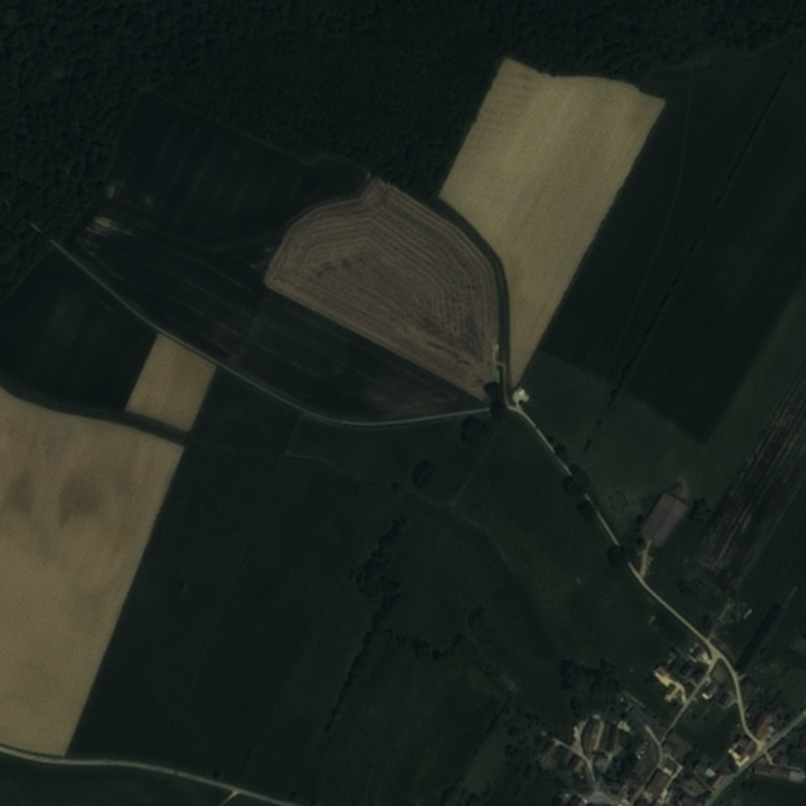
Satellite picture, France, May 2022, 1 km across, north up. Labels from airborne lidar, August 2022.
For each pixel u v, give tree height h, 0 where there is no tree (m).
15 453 0
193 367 0
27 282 0
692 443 0
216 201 0
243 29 16
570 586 0
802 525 0
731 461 0
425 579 0
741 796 0
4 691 0
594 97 0
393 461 0
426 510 0
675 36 22
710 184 0
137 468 0
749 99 0
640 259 0
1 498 0
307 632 0
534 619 0
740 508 0
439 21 18
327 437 0
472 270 0
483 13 28
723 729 0
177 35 24
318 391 0
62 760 0
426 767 0
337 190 0
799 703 0
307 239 0
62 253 0
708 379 0
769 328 0
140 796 0
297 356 0
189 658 0
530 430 0
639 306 0
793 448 0
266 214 0
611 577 0
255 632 0
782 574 0
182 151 0
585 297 0
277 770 0
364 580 16
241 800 0
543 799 0
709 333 0
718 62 0
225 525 0
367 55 15
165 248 0
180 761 0
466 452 0
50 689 0
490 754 0
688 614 0
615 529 0
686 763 6
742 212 0
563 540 0
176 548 0
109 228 0
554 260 0
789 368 0
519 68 0
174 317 0
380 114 20
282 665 0
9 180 20
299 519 0
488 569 0
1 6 21
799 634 0
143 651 0
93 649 0
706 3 19
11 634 0
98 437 0
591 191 0
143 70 24
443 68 17
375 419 0
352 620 0
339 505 0
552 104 0
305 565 0
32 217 21
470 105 20
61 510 0
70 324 0
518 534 0
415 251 0
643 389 0
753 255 0
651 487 0
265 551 0
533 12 25
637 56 17
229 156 0
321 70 20
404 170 18
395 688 0
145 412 0
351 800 0
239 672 0
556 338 0
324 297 0
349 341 0
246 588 0
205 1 13
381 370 0
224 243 0
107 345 0
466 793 7
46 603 0
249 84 20
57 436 0
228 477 0
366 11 26
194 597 0
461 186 0
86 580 0
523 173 0
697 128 0
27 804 0
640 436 0
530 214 0
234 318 0
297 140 17
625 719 10
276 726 0
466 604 0
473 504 0
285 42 16
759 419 0
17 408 0
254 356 0
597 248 0
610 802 0
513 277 0
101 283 0
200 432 0
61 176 22
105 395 0
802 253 0
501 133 0
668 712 0
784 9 27
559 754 6
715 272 0
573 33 21
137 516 0
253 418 0
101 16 24
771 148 0
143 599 0
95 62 19
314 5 24
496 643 0
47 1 13
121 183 0
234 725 0
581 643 0
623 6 22
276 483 0
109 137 19
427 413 0
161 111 0
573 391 0
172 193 0
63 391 0
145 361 0
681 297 0
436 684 0
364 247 0
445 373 0
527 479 0
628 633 0
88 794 0
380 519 0
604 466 0
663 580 0
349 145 14
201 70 21
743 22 19
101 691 0
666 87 0
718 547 0
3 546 0
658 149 0
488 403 0
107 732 0
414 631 0
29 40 19
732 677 0
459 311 0
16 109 19
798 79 0
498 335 0
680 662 5
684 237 0
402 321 0
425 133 23
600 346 0
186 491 0
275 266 0
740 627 0
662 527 0
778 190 0
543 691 0
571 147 0
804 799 0
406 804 0
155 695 0
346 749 0
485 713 0
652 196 0
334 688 0
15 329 0
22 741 0
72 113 19
